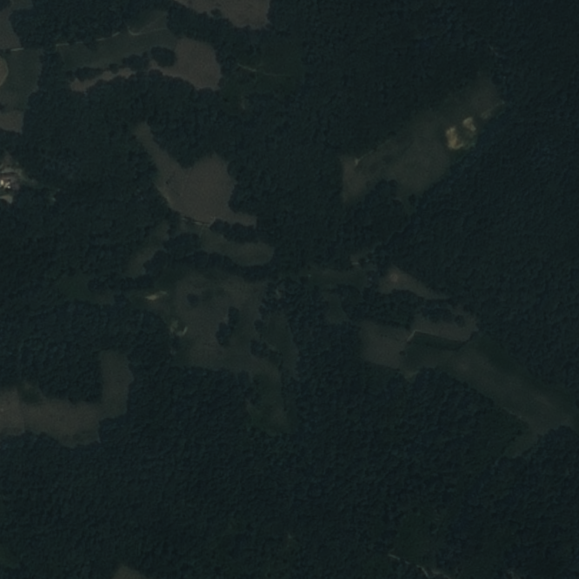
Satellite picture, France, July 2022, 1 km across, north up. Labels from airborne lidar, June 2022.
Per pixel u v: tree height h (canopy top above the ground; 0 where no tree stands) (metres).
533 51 25
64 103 22
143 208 27
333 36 17
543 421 0
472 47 27
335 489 23
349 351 27
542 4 31
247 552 20
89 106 28
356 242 23
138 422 24
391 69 29
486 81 0
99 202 24
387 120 31
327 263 24
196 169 0
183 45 0
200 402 18
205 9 0
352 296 17
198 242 18
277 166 29
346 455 27
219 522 19
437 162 0
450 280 21
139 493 17
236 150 22
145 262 0
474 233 26
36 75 0
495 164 23
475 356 0
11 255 18
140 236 30
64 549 21
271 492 25
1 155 19
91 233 9
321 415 23
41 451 19
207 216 0
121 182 27
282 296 19
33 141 18
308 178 26
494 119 0
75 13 21
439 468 23
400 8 14
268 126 27
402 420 7
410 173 0
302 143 28
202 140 25
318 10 11
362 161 0
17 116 0
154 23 0
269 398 0
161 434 16
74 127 25
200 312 0
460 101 0
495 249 17
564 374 18
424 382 27
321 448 20
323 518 24
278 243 19
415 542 0
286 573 7
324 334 28
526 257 21
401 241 24
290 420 0
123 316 25
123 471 14
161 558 28
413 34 31
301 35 24
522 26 27
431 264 20
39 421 0
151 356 26
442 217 27
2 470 8
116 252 26
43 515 18
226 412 17
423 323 0
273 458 11
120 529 21
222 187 0
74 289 0
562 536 27
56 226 28
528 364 16
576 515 15
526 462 18
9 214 18
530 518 23
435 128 0
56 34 20
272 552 16
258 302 0
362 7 29
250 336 0
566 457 25
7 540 24
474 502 24
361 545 20
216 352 0
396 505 21
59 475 18
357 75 26
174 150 31
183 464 22
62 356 13
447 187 23
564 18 29
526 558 28
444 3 32
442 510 20
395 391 27
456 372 0
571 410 0
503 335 25
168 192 0
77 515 25
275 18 24
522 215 15
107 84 19
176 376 22
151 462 20
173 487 19
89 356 24
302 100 26
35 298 29
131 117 29
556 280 20
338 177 23
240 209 21
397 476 22
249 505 16
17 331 29
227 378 18
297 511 20
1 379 23
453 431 13
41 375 11
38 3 19
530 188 20
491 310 25
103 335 28
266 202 26
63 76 16
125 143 27
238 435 17
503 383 0
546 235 22
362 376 25
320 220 26
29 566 22
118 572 0
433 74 27
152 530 22
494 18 32
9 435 0
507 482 7
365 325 0
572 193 25
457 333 0
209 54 0
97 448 19
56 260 19
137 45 0
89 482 17
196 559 22
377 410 23
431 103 26
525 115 23
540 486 20
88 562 20
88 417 0
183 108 27
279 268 24
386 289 0
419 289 0
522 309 25
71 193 15
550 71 24
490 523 26
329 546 19
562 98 22
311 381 16
